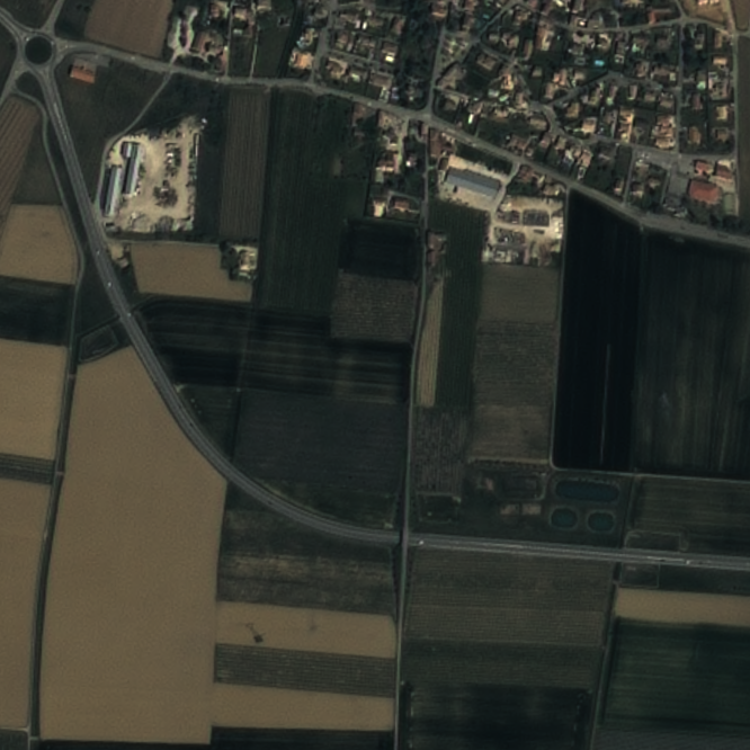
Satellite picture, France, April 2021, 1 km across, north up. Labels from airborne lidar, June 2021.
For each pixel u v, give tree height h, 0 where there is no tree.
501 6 6
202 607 0
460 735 0
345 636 0
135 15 0
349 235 0
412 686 0
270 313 0
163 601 0
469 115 8
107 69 0
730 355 0
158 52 0
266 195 0
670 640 0
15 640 0
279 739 0
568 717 0
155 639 0
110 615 0
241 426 0
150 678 0
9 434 0
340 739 0
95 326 0
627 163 0
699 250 0
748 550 0
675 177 0
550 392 0
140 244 0
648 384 0
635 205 0
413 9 16
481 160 0
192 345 0
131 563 0
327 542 0
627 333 0
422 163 11
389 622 0
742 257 0
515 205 0
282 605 0
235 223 0
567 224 0
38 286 0
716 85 0
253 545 0
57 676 0
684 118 0
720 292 0
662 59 9
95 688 0
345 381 0
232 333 0
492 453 0
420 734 0
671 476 0
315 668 0
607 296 0
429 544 0
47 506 0
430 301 0
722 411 0
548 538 0
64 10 0
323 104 9
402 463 0
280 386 0
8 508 0
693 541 0
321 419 0
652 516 0
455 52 8
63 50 0
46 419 0
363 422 0
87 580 0
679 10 8
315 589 0
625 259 0
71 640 0
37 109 0
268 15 14
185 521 0
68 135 0
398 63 6
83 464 0
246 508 0
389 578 0
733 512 0
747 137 0
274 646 0
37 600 0
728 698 0
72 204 0
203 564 0
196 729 0
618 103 10
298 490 0
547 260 0
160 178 0
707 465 0
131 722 0
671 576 0
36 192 0
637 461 0
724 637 0
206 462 0
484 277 0
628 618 0
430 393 0
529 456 0
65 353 0
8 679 0
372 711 0
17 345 0
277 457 0
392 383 0
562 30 9
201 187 0
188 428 0
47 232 0
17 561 0
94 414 0
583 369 0
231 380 0
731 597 0
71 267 0
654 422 0
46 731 0
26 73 0
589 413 0
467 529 0
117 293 0
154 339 0
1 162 0
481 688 0
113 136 0
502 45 6
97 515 0
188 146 0
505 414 0
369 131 8
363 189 0
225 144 0
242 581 0
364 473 0
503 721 0
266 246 0
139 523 0
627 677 0
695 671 0
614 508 0
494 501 0
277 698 0
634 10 6
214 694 0
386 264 0
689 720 0
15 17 0
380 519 0
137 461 0
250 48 0
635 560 0
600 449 0
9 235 0
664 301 0
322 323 0
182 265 0
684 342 0
